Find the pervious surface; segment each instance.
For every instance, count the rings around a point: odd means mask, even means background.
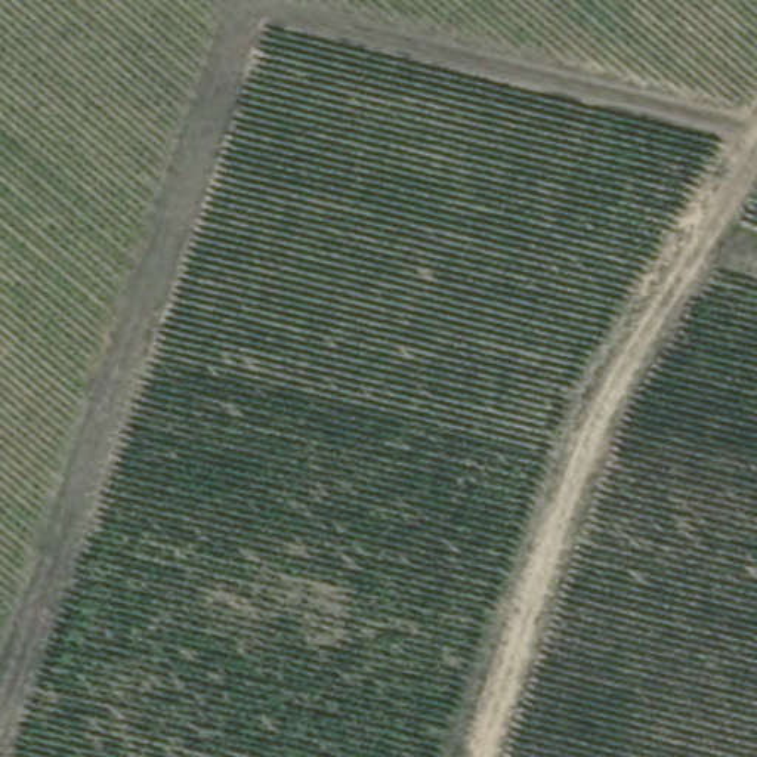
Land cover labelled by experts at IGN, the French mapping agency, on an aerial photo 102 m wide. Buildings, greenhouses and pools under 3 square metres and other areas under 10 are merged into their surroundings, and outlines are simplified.
[[[633,290],[645,299],[648,308],[636,319],[621,355],[609,367],[600,393],[591,399],[585,423],[571,444],[571,458],[565,464],[556,500],[550,503],[541,526],[532,532],[535,550],[529,553],[529,565],[523,568],[520,583],[512,594],[517,612],[509,618],[503,648],[485,683],[473,733],[467,742],[467,757],[497,757],[535,642],[535,618],[544,609],[550,585],[556,580],[565,535],[577,512],[580,494],[585,488],[585,476],[591,473],[603,444],[609,441],[606,429],[612,423],[612,414],[627,402],[630,387],[639,370],[645,367],[645,358],[654,352],[662,325],[671,316],[680,316],[680,310],[689,305],[689,296],[695,296],[695,281],[707,269],[710,251],[719,240],[704,225],[701,210],[686,204],[686,210],[662,237],[656,257],[633,284]]]

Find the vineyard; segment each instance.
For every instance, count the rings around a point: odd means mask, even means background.
[[[656,257],[662,237],[686,210],[686,204],[701,210],[704,225],[719,240],[710,251],[707,269],[695,281],[695,296],[689,296],[689,305],[680,310],[680,316],[671,316],[662,325],[654,352],[645,358],[645,367],[639,370],[630,387],[627,402],[612,414],[612,423],[606,429],[609,441],[603,444],[591,473],[585,476],[585,488],[580,494],[577,512],[565,535],[556,580],[550,585],[544,609],[535,618],[535,642],[497,757],[757,757],[757,0],[0,0],[0,757],[467,757],[467,742],[473,733],[485,683],[503,648],[509,618],[517,612],[512,594],[520,583],[523,568],[529,565],[529,553],[535,550],[532,532],[541,526],[550,503],[556,500],[565,464],[571,458],[571,444],[585,423],[591,399],[600,393],[609,367],[621,355],[636,319],[648,308],[645,299],[633,290],[633,284]]]

